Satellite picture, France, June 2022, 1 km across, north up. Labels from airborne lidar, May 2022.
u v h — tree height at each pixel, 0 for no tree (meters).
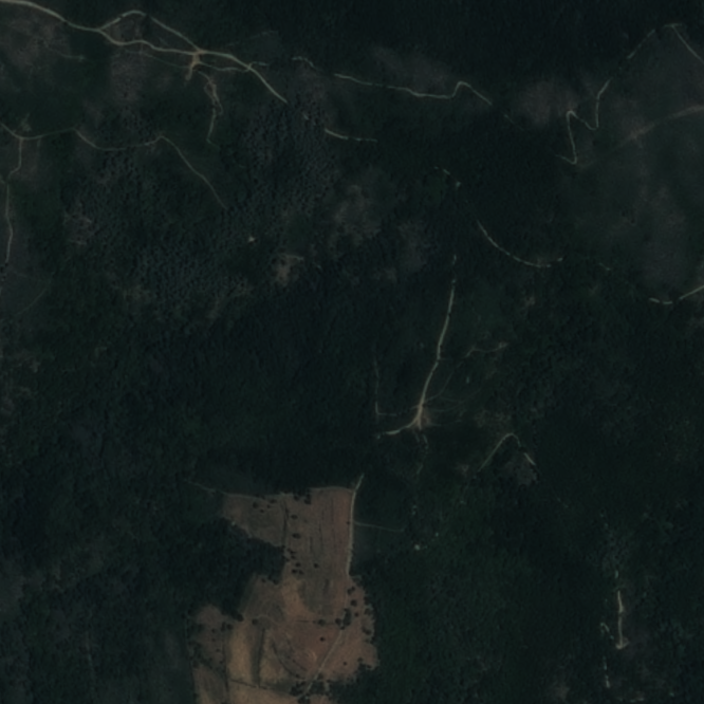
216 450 12
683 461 7
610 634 6
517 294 9
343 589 0
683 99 0
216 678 0
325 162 13
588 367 9
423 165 8
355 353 16
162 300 13
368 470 11
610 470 15
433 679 10
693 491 20
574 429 15
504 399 9
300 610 0
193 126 7
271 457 12
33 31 0
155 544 8
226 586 9
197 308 11
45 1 0
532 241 10
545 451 11
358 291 7
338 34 11
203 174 0
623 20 8
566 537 9
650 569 14
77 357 10
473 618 14
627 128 0
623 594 7
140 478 7
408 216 7
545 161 9
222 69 0
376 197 0
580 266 15
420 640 13
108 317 13
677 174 0
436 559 9
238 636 0
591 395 9
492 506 15
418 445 8
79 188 10
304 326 12
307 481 8
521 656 10
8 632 9
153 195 11
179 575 9
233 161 9
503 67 8
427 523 12
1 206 0
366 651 0
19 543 7
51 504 10
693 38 6
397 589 10
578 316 17
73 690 11
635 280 10
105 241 11
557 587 14
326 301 12
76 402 14
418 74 0
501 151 13
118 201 15
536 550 23
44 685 10
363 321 14
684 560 13
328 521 0
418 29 7
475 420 0
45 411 13
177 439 12
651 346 14
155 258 18
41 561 10
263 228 9
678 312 13
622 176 0
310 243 6
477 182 8
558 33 9
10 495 14
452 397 0
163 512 10
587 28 9
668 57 0
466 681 15
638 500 15
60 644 9
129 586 7
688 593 8
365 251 6
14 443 13
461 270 7
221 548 9
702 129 0
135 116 8
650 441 14
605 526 14
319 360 13
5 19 0
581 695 9
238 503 0
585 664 11
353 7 10
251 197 15
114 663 8
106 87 0
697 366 9
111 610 6
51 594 13
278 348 11
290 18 13
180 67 0
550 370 13
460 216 10
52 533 12
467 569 13
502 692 12
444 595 7
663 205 0
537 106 0
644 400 13
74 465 13
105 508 10
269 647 0
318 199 6
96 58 0
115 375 12
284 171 12
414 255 0
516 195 8
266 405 13
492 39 13
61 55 0
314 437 16
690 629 12
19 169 0
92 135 0
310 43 5
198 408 13
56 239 11
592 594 9
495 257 8
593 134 6
